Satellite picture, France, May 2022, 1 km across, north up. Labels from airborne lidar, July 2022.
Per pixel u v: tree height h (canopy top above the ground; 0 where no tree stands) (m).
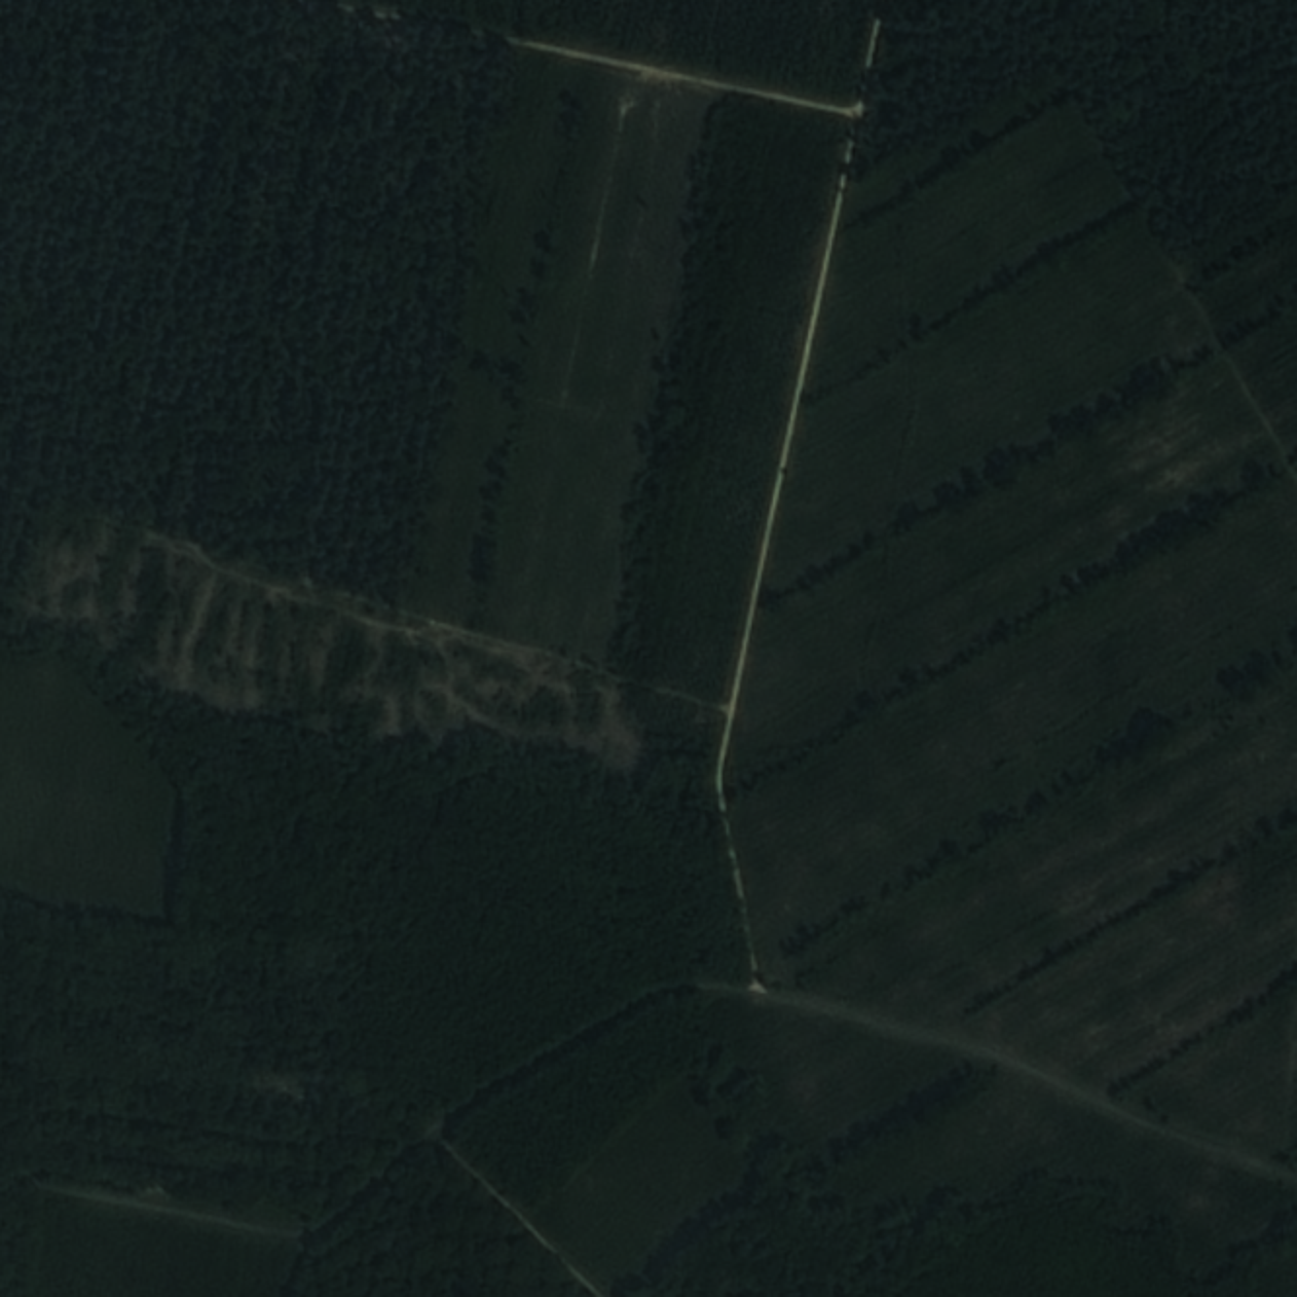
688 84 0
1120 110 26
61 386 32
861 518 0
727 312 8
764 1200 22
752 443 6
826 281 0
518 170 0
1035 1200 12
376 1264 32
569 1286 26
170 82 27
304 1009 21
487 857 17
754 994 0
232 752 20
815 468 0
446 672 0
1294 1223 21
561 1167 18
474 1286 28
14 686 0
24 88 31
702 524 6
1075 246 13
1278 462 0
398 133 27
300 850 31
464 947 18
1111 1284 7
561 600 0
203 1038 25
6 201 30
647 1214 0
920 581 0
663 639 6
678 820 24
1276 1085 0
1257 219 22
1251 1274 13
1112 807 0
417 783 20
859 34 8
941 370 0
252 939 22
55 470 29
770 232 6
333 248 34
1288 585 0
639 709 6
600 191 0
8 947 24
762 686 0
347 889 15
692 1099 0
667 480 9
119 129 33
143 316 31
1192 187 21
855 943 0
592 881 21
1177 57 23
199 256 21
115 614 0
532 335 28
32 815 0
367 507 33
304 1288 17
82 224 29
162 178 29
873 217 14
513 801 20
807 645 0
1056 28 28
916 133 32
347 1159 24
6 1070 26
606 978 21
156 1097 30
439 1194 26
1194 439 0
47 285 29
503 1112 20
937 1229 25
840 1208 25
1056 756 0
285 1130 26
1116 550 0
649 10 6
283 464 20
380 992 20
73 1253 6
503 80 28
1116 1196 15
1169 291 0
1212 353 15
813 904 0
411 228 27
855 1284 21
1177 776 0
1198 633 0
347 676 0
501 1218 26
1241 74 25
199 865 24
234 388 30
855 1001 0
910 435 7
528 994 18
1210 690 0
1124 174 14
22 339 24
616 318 0
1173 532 26
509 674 0
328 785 27
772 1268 25
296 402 26
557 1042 13
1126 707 0
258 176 35
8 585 26
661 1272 23
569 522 0
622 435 0
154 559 0
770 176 6
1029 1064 0
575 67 0
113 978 19
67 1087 19
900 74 23
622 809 21
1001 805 0
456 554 0
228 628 0
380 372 26
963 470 0
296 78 33
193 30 29
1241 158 32
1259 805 0
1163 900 14
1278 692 0
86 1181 20
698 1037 19
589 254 0
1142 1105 0
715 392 7
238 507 21
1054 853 0
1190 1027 0
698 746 11
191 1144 24
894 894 14
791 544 0
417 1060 20
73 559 0
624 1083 19
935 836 0
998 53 28
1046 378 0
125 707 21
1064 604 8
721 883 22
